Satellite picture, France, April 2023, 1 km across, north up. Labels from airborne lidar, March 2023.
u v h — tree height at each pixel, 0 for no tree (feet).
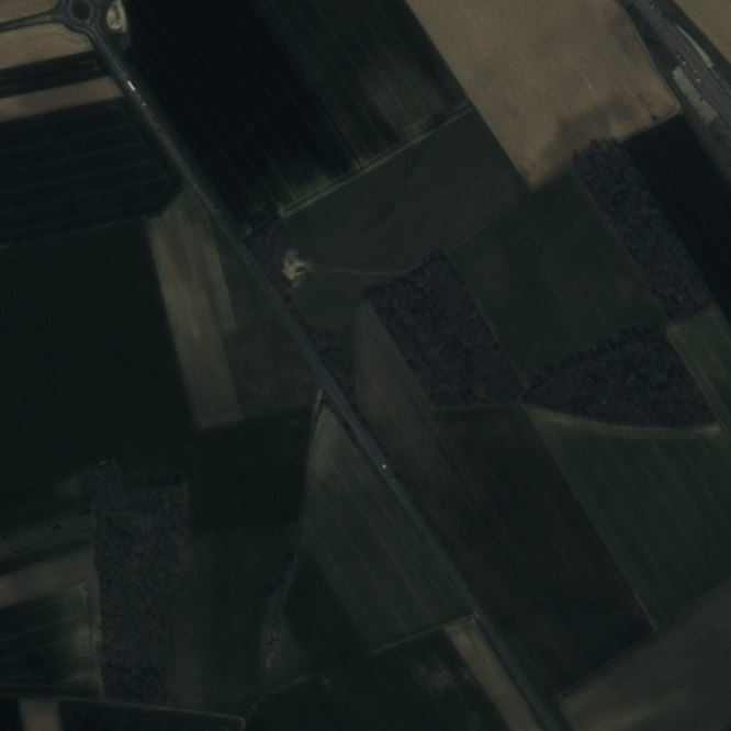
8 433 0
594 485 0
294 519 0
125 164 0
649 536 0
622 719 0
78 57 0
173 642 0
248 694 0
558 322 0
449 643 0
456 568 0
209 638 0
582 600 0
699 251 0
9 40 0
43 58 0
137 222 0
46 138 0
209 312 0
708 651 0
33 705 0
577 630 0
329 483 0
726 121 0
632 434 0
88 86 0
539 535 0
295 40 0
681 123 0
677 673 0
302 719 0
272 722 0
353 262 0
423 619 0
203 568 0
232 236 0
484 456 0
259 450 0
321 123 0
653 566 0
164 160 0
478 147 0
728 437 0
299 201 0
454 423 0
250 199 0
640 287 0
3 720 0
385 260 0
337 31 0
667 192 0
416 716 0
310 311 0
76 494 0
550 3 0
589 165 58
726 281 0
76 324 0
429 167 0
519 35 0
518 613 0
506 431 0
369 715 0
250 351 0
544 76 0
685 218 0
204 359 0
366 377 0
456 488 0
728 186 0
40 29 0
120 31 0
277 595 56
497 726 0
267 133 0
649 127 0
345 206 0
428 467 0
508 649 0
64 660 0
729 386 0
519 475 0
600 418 51
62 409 0
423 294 46
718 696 0
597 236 0
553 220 0
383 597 0
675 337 0
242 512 0
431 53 0
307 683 0
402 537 0
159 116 0
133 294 0
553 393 57
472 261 0
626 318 0
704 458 0
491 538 0
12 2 0
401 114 0
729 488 0
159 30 0
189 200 0
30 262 0
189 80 0
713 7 0
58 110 0
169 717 0
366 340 0
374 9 0
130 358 0
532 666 0
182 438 0
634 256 39
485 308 0
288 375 0
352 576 0
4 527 0
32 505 0
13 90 0
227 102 0
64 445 0
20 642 0
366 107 0
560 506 0
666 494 0
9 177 0
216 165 0
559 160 0
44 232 0
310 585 0
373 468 0
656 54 19
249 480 0
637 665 0
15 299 0
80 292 0
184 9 0
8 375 0
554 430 0
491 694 0
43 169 0
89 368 0
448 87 0
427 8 0
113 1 0
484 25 0
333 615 0
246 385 0
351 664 0
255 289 0
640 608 0
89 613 0
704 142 0
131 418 0
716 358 0
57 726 0
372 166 0
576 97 0
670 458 0
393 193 0
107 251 0
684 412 62
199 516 0
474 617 0
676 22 0
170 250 0
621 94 0
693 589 0
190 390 0
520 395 34
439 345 69
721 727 0
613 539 0
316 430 0
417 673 0
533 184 0
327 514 0
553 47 0
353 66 0
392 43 0
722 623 0
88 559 0
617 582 0
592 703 0
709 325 0
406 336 68
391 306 27
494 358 46
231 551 0
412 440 0
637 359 47
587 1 0
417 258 0
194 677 0
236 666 0
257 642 0
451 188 0
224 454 0
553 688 0
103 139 0
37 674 0
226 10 0
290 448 0
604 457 0
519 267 0
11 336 0
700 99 0
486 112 0
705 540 0
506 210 0
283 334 0
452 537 0
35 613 0
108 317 0
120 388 0
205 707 0
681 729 0
